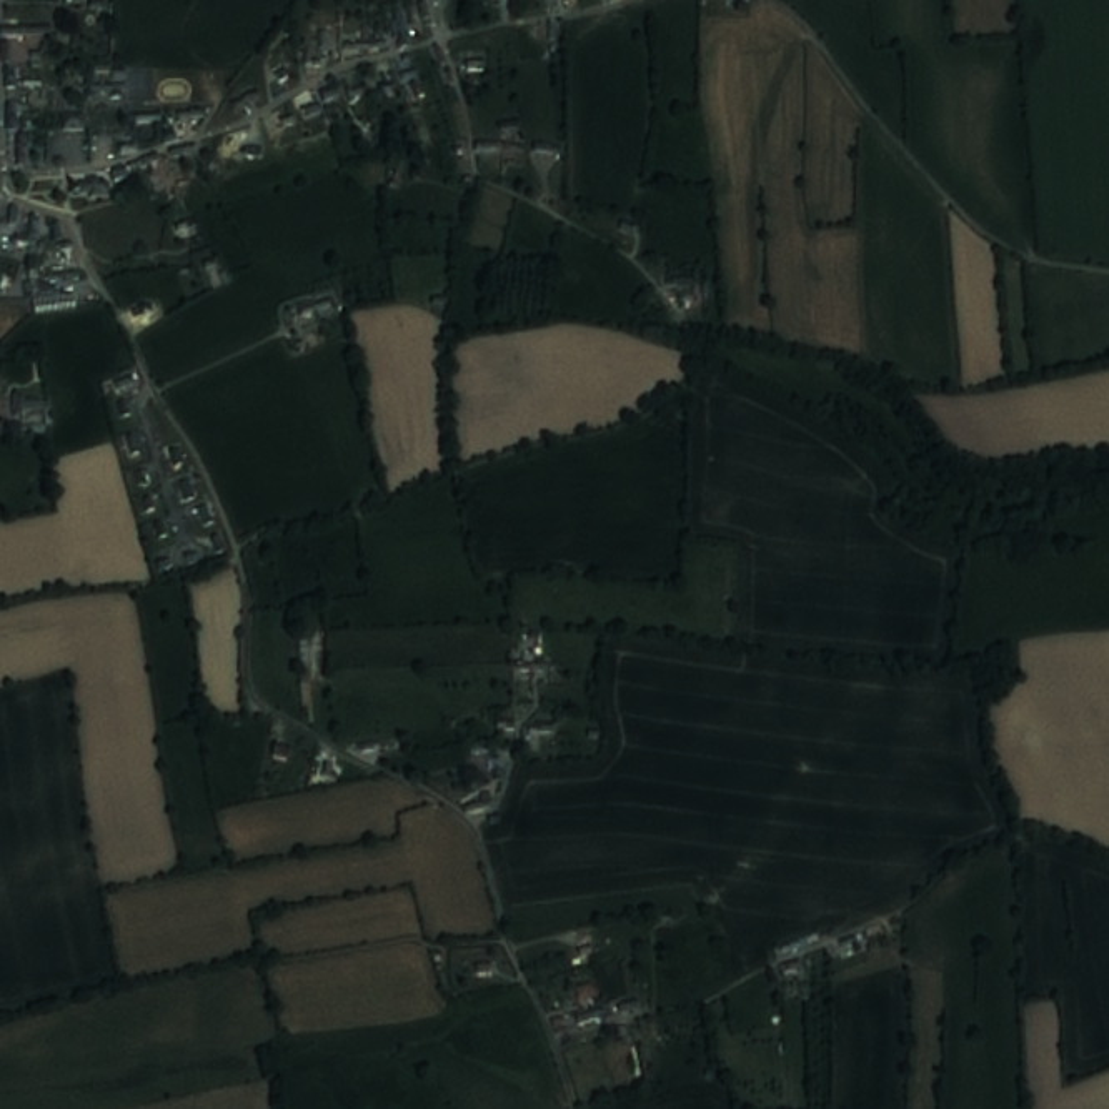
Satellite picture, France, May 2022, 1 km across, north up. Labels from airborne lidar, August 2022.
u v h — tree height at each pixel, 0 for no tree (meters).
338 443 0
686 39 0
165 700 0
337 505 0
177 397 0
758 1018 0
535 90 0
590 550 0
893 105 0
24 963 0
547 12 0
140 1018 0
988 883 0
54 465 16
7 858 0
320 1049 0
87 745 0
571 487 0
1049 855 0
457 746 6
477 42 0
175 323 0
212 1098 0
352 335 15
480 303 10
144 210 0
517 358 0
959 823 0
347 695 0
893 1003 0
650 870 0
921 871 0
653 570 0
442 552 0
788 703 0
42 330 0
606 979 0
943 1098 13
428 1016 0
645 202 0
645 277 0
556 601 0
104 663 0
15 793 0
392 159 14
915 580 0
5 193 0
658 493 0
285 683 0
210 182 10
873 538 0
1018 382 11
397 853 0
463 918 0
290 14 7
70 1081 0
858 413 14
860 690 0
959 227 0
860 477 0
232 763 0
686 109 11
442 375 17
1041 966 0
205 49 0
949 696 0
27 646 0
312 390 0
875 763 0
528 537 0
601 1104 17
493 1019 0
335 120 9
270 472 0
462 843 0
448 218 7
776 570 0
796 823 0
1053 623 0
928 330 0
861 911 0
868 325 0
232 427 0
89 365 0
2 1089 0
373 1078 0
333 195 0
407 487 8
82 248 0
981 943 14
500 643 0
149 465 0
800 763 0
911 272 0
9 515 17
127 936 0
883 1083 0
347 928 0
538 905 0
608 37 0
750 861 0
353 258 0
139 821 0
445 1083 0
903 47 10
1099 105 0
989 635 0
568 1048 13
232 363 0
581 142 0
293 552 0
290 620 12
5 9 7
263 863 8
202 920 0
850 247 0
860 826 0
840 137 0
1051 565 0
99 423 0
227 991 0
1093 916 0
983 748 7
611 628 10
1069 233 0
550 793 0
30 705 0
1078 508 16
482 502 0
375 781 6
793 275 0
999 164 0
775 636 0
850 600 0
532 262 13
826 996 6
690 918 0
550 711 6
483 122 0
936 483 6
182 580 7
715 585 0
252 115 0
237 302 0
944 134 0
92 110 0
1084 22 0
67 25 21
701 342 12
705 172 0
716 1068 9
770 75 0
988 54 0
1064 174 0
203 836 0
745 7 10
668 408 13
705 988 0
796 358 14
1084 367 10
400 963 0
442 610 0
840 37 0
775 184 0
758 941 0
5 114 0
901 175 0
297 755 0
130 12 0
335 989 0
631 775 0
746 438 0
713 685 0
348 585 0
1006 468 16
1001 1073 0
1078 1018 0
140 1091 0
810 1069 8
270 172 0
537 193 7
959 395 11
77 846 0
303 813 0
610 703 0
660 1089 9
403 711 0
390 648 0
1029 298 7
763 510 0
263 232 0
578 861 0
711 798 0
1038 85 0
